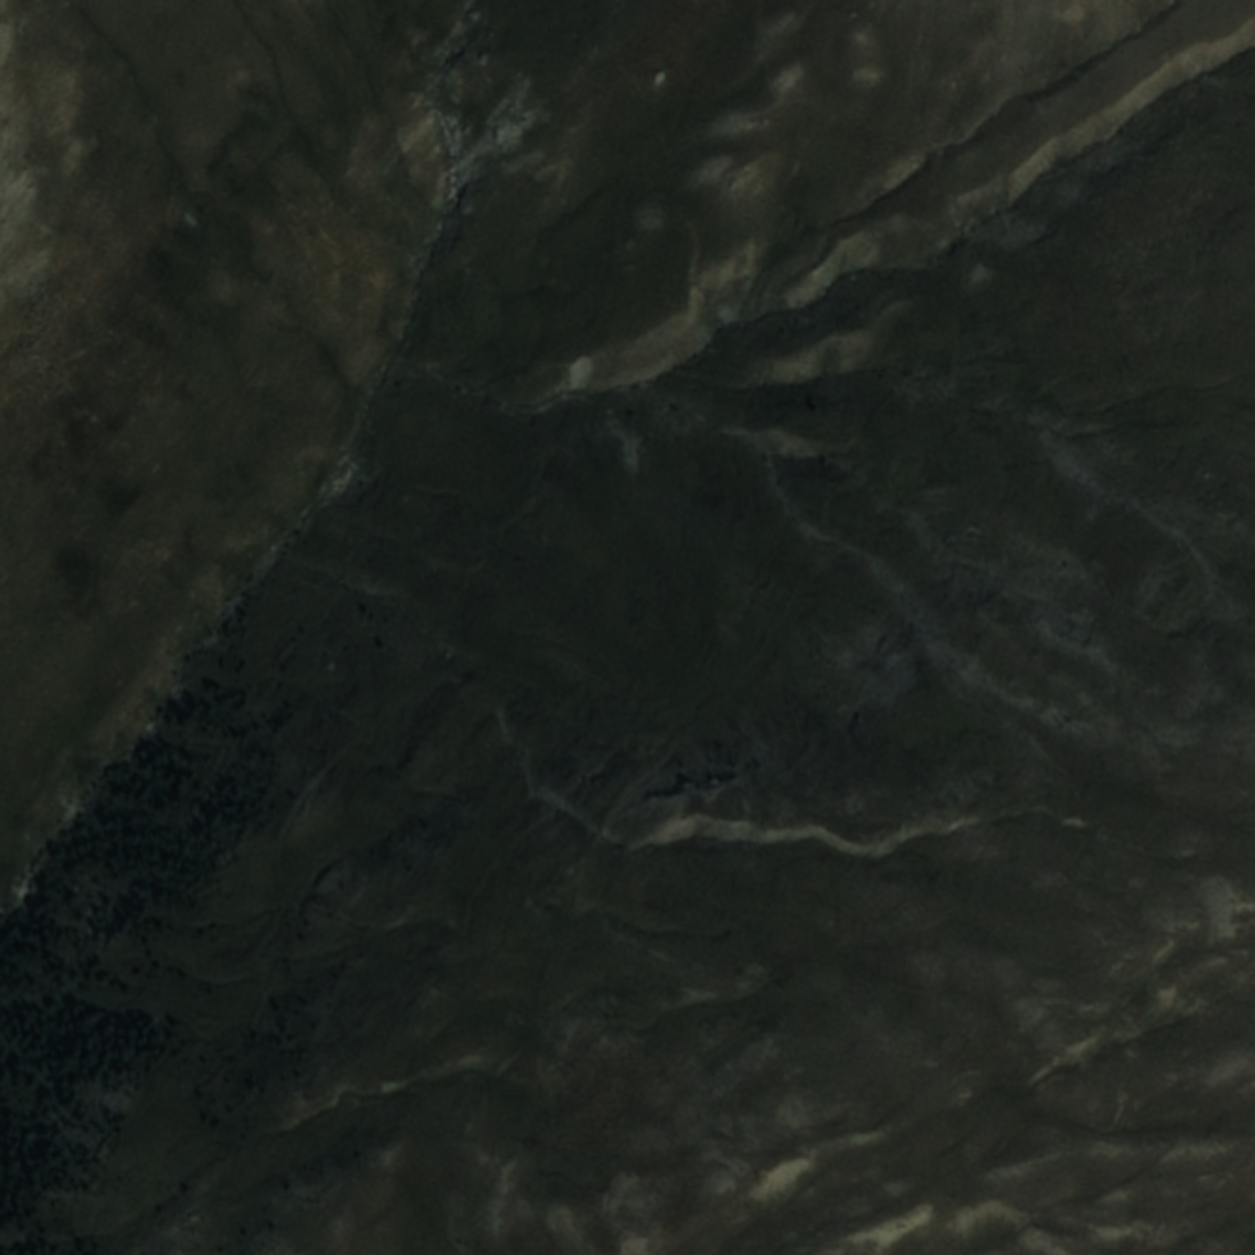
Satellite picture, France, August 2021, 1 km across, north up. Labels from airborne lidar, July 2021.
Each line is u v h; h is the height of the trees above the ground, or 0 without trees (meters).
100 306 0
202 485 0
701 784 0
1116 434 0
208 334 0
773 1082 0
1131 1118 0
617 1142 0
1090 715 0
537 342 0
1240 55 0
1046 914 0
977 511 0
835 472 0
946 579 0
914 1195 0
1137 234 0
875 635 0
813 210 0
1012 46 0
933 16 0
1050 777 0
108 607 0
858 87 0
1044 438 0
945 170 0
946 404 0
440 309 0
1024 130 0
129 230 0
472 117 0
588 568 0
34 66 0
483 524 0
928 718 0
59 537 0
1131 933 0
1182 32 0
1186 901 0
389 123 0
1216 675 0
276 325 0
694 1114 0
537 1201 0
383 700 0
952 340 0
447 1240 0
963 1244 0
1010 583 0
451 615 0
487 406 0
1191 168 0
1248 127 0
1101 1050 0
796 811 0
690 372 0
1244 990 0
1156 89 0
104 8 0
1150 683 0
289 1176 0
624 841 0
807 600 0
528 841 0
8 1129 12
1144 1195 0
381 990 0
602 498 0
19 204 0
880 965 0
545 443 0
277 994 0
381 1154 0
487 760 0
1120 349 0
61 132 0
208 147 0
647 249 0
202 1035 0
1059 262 0
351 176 0
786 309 0
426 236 0
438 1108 0
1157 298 0
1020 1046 0
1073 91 0
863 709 0
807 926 0
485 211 0
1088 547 0
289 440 0
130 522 0
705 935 0
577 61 0
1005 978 0
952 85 0
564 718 0
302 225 0
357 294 0
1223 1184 0
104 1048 11
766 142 0
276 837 0
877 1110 0
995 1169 0
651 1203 0
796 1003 0
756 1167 0
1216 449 0
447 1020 0
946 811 0
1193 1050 0
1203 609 0
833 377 0
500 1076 0
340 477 0
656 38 0
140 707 0
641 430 0
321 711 0
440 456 0
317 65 0
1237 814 0
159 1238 0
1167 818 0
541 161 0
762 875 0
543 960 0
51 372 0
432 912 0
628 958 0
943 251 0
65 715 0
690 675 0
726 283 0
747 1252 0
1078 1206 0
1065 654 0
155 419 0
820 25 0
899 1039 0
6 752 0
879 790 0
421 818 0
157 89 0
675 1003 0
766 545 0
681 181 0
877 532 0
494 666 0
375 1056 0
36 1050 12
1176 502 0
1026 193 0
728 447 0
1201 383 0
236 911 0
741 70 0
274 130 0
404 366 0
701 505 0
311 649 0
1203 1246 0
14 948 11
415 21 0
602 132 0
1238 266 0
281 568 0
